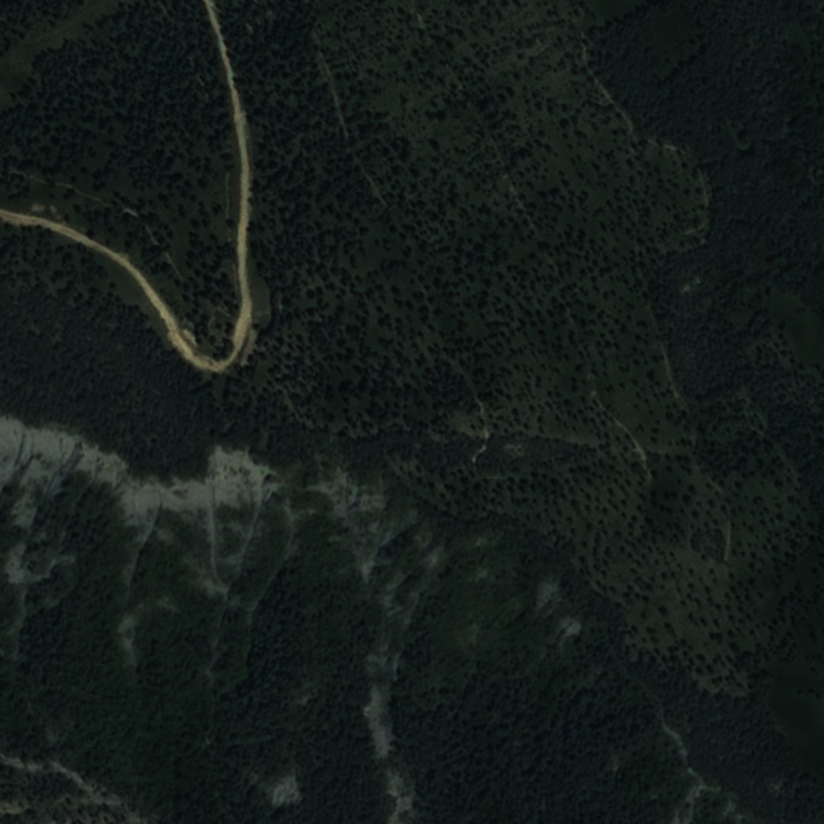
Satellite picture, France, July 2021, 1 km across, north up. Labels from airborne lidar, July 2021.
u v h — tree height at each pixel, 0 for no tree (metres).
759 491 0
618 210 18
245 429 17
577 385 12
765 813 8
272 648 16
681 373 15
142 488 0
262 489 0
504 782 11
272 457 7
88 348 7
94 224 16
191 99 8
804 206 16
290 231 15
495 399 14
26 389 9
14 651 9
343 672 14
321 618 7
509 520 11
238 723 13
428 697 9
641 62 21
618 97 13
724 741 11
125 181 0
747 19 13
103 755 9
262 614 6
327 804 15
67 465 0
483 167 8
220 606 9
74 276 6
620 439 10
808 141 18
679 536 15
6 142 9
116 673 6
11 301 13
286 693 8
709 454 10
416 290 0
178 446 11
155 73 23
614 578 0
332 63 8
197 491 0
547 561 12
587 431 0
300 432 8
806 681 0
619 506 15
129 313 12
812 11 11
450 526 10
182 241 0
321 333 14
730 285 9
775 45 9
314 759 15
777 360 10
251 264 0
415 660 15
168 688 8
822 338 0
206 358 0
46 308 8
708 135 16
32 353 16
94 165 0
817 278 18
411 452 14
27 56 0
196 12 15
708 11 16
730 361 14
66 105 14
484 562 7
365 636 13
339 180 15
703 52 14
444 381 10
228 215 0
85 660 9
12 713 10
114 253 0
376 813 17
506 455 6
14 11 18
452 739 14
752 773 11
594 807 16
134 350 10
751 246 17
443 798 20
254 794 13
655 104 14
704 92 16
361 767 19
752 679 14
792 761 15
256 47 16
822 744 0
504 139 7
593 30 10
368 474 6
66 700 13
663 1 16
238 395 10
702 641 0
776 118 12
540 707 10
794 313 0
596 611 11
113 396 11
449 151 5
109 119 12
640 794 9
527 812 13
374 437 14
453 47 23
